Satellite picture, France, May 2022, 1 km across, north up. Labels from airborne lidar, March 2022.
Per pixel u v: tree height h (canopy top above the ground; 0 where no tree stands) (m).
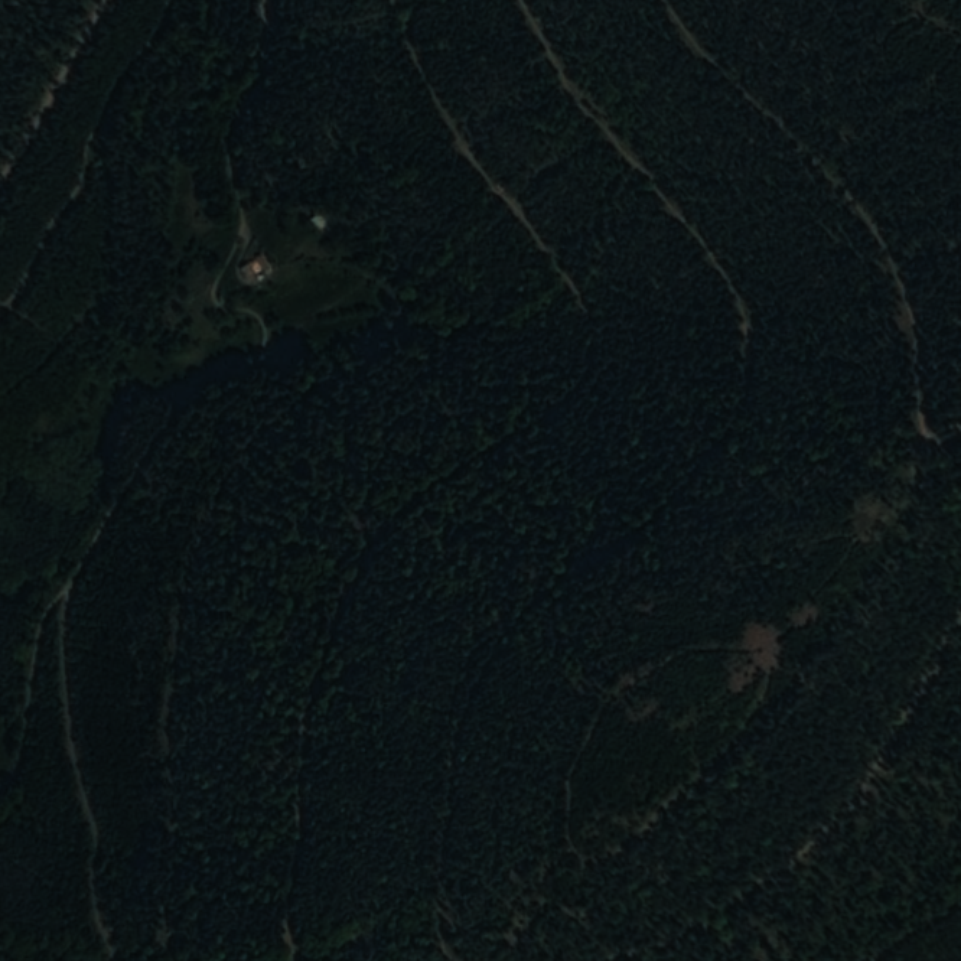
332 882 23
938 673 35
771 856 26
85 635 13
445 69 19
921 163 26
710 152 25
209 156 21
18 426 17
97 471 24
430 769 20
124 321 16
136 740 13
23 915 20
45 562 23
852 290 26
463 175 18
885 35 7
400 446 36
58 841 20
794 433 27
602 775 8
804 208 25
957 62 10
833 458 31
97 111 20
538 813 17
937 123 23
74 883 16
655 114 22
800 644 8
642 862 28
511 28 22
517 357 22
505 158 17
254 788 26
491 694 22
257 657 25
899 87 20
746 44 27
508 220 23
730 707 7
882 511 0
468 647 25
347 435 35
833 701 31
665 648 9
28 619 21
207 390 35
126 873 15
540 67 24
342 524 28
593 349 25
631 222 23
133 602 13
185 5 33
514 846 21
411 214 27
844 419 25
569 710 8
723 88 26
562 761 8
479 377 27
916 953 17
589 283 21
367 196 28
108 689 12
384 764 22
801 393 28
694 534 37
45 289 11
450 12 18
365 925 15
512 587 29
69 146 20
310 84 34
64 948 24
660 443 31
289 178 31
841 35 22
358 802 19
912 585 30
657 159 21
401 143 22
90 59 18
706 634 7
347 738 24
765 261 28
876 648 29
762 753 37
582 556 25
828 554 7
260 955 28
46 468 23
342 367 12
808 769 33
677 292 28
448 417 31
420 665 24
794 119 26
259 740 24
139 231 39
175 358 17
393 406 24
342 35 11
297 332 0
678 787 7
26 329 15
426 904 18
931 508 34
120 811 10
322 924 20
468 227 19
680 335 30
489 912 17
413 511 28
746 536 34
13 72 35
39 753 10
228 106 19
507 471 31
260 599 25
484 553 27
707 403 29
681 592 8
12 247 22
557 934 26
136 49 17
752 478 18
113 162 40
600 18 21
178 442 20
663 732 7
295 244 0
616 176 28
